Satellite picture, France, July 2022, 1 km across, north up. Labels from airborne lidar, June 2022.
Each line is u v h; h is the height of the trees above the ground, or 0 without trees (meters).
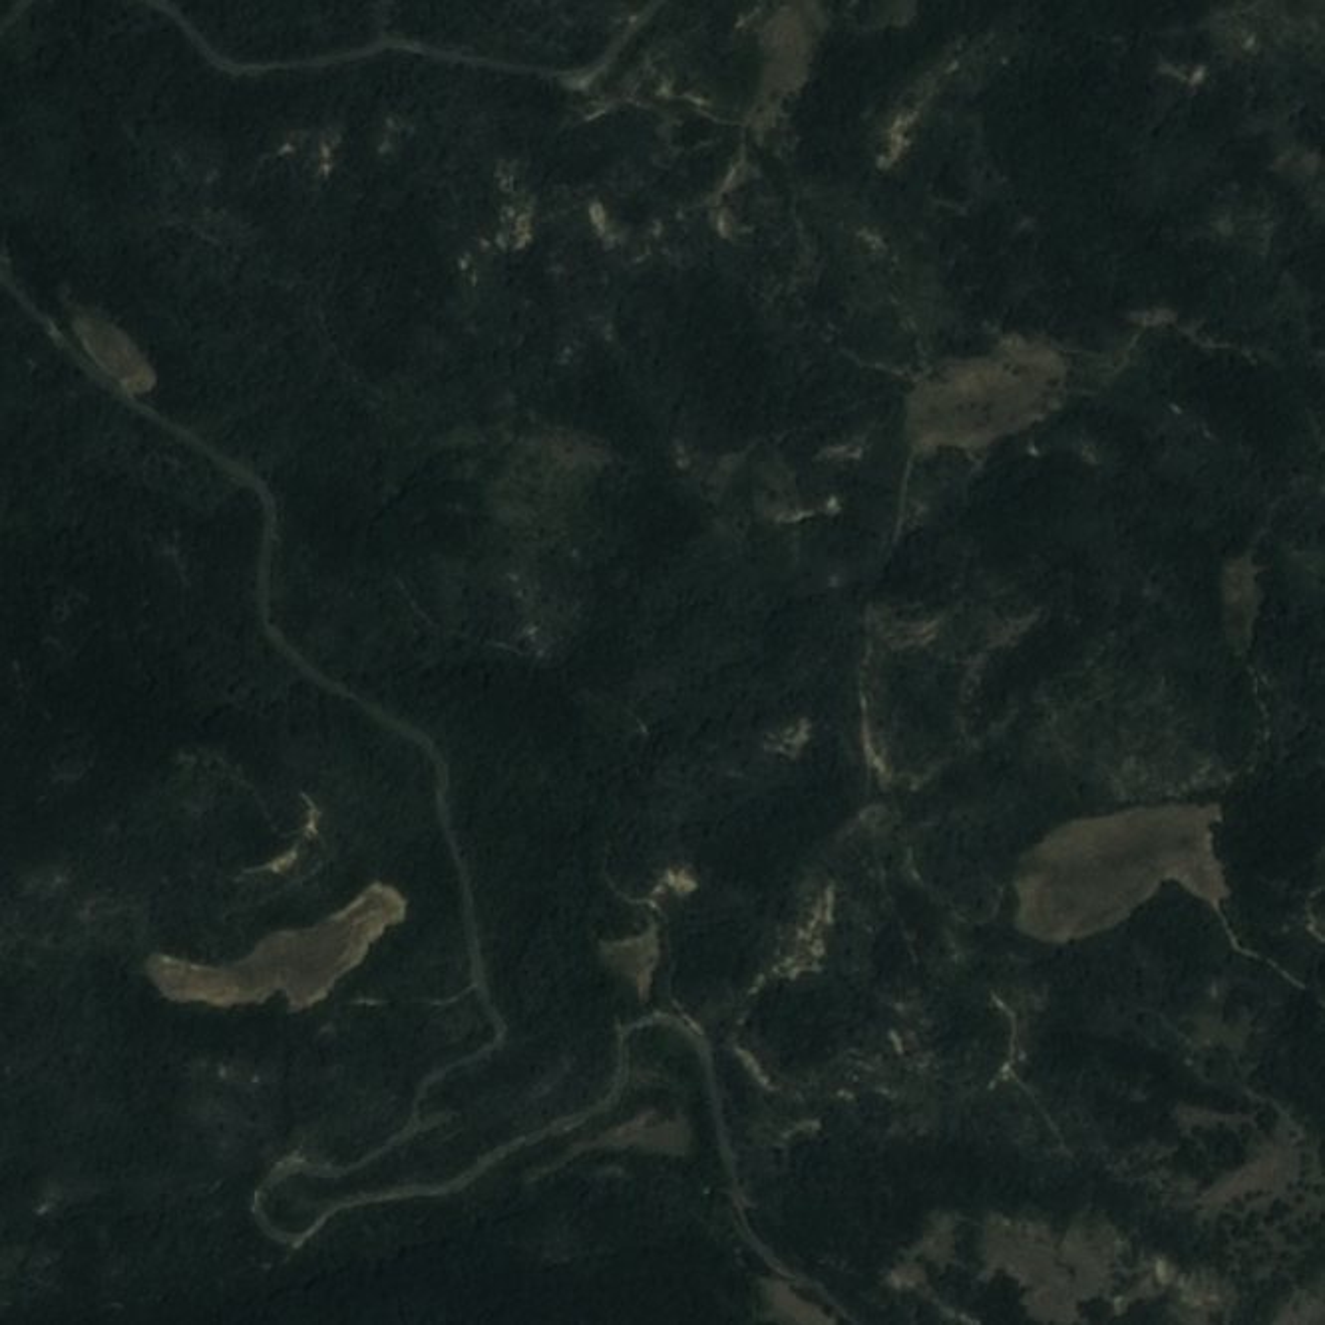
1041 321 6
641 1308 10
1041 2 10
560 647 7
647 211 7
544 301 6
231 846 7
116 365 0
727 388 9
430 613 7
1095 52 9
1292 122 6
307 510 14
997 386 0
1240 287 6
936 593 8
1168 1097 6
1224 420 13
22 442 7
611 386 8
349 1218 7
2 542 10
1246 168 9
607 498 10
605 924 8
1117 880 0
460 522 9
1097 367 0
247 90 9
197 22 7
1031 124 11
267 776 8
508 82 7
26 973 7
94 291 10
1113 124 7
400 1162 5
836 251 7
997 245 9
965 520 6
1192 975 8
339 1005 8
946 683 9
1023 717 5
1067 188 8
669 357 6
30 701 9
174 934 6
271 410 6
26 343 8
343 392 7
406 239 8
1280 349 8
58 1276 10
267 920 6
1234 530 12
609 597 7
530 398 8
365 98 7
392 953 11
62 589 7
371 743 7
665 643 6
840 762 7
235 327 7
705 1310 15
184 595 7
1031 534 8
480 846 12
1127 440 10
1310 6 0
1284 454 8
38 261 13
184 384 11
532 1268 8
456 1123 7
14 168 6
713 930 7
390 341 6
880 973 7
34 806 10
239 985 0
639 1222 8
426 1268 11
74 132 8
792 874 7
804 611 7
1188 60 8
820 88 12
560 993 14
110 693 10
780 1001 9
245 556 10
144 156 7
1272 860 14
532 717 11
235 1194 7
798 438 6
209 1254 6
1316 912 7
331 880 8
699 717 6
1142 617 8
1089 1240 0
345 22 10
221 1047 9
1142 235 11
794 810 6
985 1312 8
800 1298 0
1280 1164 0
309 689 11
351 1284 16
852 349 6
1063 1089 6
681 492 8
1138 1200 5
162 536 9
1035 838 9
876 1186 9
